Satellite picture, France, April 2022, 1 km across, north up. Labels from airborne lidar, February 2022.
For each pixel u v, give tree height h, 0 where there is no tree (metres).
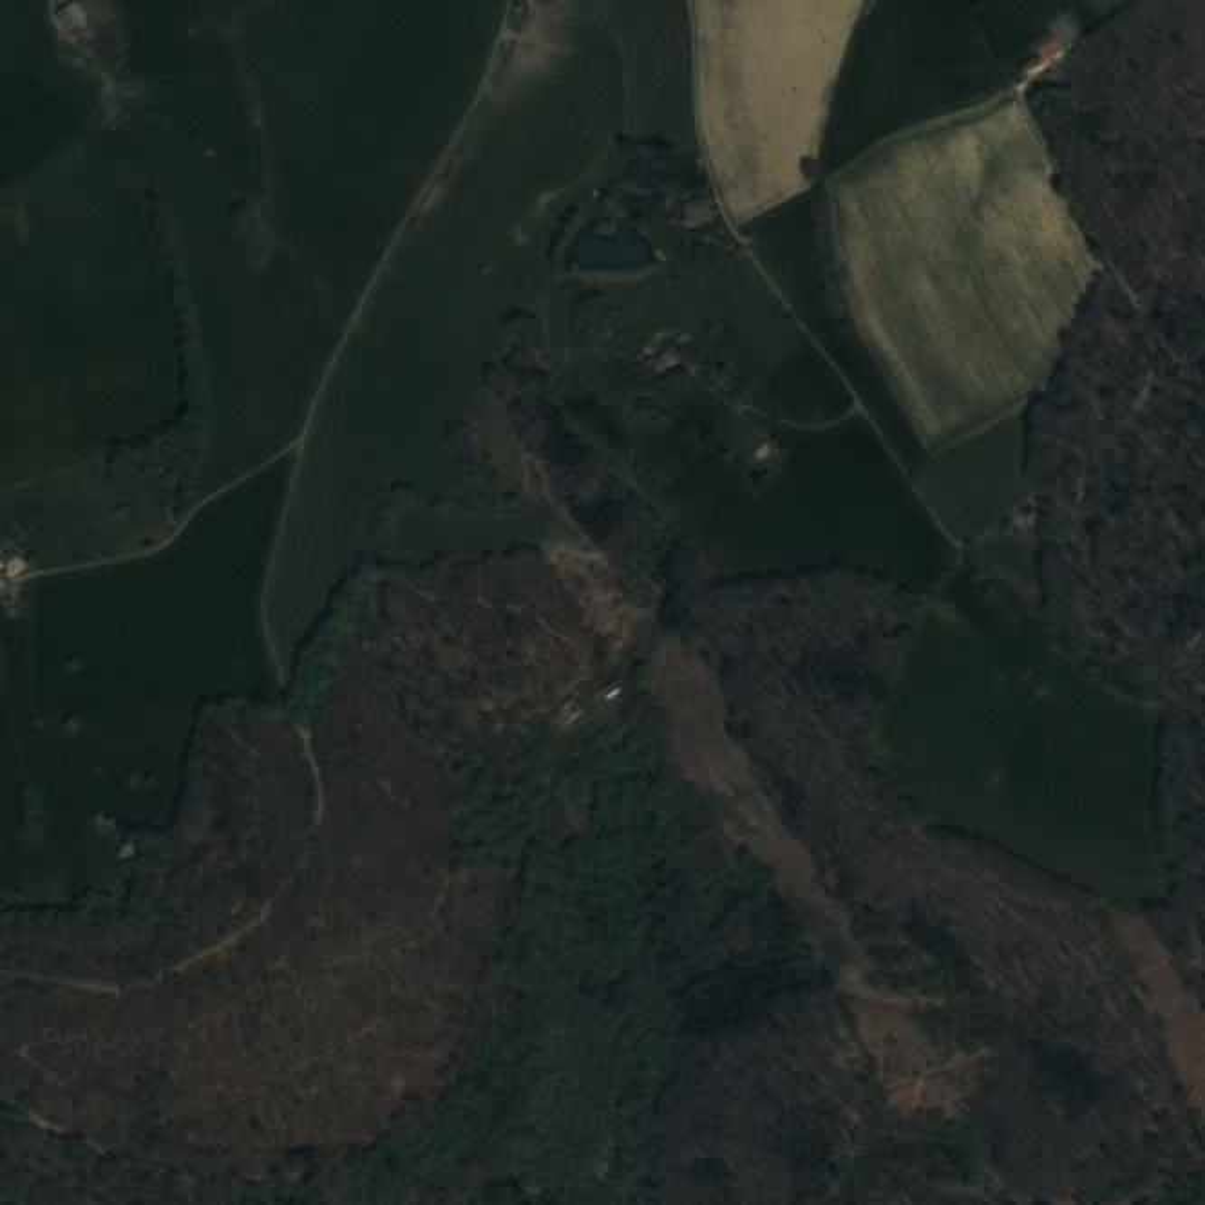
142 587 0
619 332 19
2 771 0
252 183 0
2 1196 21
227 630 0
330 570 0
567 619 12
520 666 24
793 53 0
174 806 0
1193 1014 0
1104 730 0
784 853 0
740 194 0
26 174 0
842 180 0
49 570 0
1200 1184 23
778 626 26
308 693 24
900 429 0
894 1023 0
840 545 0
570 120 0
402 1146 29
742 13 0
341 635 17
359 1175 29
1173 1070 29
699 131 0
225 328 0
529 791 24
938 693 0
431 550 0
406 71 0
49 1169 26
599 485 25
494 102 0
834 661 29
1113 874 0
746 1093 25
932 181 0
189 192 0
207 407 19
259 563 0
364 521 0
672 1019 27
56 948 22
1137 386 30
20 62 0
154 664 0
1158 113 19
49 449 0
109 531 0
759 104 0
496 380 20
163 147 0
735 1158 23
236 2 0
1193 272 20
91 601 0
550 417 20
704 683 0
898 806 22
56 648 0
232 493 0
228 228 0
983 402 0
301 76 0
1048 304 0
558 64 0
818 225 12
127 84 0
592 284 0
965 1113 11
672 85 0
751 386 9
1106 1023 25
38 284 0
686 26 0
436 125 0
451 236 0
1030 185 0
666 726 18
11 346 0
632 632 0
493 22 0
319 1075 8
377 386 0
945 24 0
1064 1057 19
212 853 6
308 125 0
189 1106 9
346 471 0
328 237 0
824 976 8
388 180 0
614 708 0
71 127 0
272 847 7
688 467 0
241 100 0
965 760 0
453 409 0
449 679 27
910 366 0
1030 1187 26
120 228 0
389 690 11
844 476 0
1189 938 28
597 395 0
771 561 0
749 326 0
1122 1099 21
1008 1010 18
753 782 0
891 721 0
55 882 0
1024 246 0
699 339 0
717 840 28
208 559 0
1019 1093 29
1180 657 28
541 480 0
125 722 0
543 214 0
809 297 0
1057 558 27
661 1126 27
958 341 0
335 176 0
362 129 0
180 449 18
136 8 0
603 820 24
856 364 0
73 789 0
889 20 0
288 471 0
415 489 9
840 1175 25
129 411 0
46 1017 8
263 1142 12
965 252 0
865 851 23
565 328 0
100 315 0
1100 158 16
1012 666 0
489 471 13
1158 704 22
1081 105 20
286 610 0
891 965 19
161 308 0
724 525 0
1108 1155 23
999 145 0
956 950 21
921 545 0
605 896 23
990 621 0
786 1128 21
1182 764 26
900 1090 0
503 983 28
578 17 0
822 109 0
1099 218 16
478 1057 24
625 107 0
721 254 8
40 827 19
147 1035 6
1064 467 32
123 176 0
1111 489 32
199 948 12
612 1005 16
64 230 0
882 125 0
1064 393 13
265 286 0
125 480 11
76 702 0
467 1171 25
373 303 0
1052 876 20
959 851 30
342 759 14
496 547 0
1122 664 24
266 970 8
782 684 26
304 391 0
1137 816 0
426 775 12
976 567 15
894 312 0
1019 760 0
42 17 0
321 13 0
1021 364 0
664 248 0
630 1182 18
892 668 27
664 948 22
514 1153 11
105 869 0
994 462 0
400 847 11
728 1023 26
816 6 0
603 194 0
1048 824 0
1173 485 30
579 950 25
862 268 0
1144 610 8
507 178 0
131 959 10
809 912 0
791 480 0
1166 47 17
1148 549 31
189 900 13
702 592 27
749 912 26
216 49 0
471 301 0
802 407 0
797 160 0
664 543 20
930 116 0
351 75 0
